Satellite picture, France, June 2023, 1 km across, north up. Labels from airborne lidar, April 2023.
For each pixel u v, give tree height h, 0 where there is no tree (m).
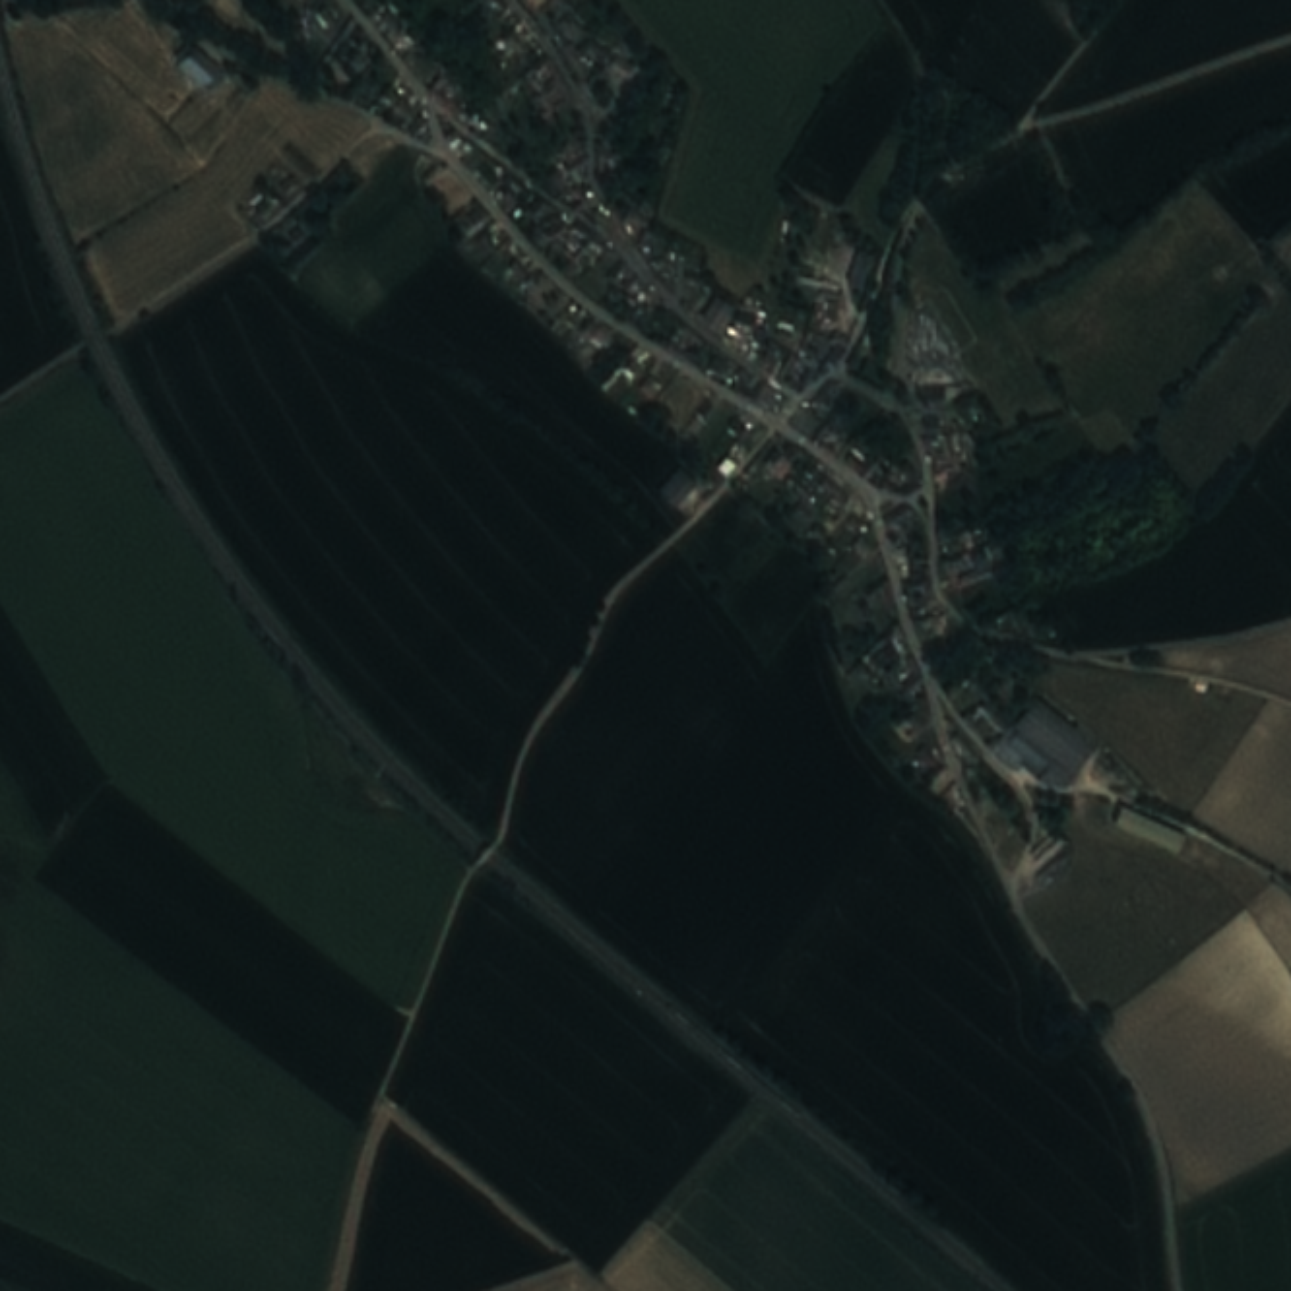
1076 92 0
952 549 0
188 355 0
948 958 0
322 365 0
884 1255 0
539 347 0
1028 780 0
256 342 0
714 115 0
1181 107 0
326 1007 0
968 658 10
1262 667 0
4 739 0
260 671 0
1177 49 0
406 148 0
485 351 0
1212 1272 0
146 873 0
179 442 0
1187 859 0
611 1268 0
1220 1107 0
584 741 0
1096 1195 0
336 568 0
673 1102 0
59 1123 0
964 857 0
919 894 0
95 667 0
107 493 0
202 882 0
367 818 0
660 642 0
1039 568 15
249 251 0
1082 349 0
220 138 0
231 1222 0
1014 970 0
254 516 0
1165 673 0
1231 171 0
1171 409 10
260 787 0
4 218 0
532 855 0
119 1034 0
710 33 0
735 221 0
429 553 0
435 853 0
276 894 0
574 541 0
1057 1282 0
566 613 0
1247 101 0
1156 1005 0
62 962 0
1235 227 0
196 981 0
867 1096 0
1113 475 23
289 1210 0
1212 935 0
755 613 0
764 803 0
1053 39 0
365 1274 0
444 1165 0
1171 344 0
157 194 0
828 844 0
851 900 0
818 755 0
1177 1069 0
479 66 5
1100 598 0
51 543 0
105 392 11
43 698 0
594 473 7
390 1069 0
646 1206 0
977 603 8
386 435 0
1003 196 0
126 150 0
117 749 0
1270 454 0
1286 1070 0
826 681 0
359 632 0
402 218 0
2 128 0
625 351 7
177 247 0
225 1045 0
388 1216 0
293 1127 0
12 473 0
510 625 0
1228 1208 0
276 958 0
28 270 0
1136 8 0
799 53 0
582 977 0
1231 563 0
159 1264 0
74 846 0
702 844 0
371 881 0
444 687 0
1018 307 6
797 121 0
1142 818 0
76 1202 0
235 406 0
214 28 18
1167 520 12
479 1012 0
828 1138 0
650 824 0
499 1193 0
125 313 0
